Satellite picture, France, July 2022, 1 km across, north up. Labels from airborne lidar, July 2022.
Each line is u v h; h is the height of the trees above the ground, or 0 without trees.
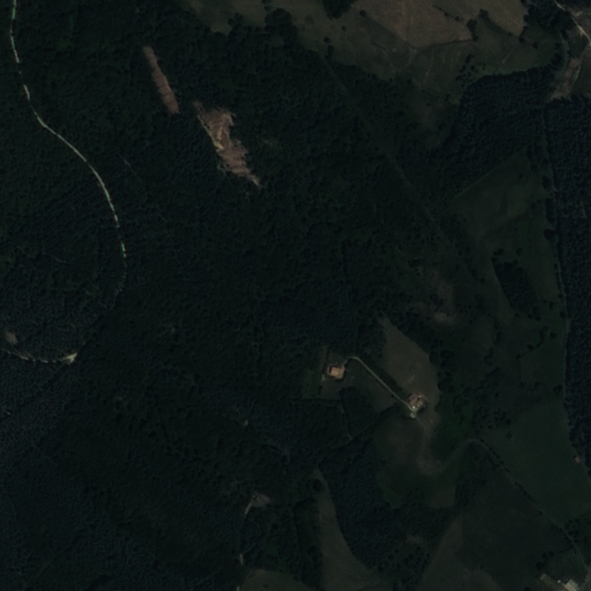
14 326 21
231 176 21
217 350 17
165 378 36
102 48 18
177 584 35
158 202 10
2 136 7
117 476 27
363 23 0
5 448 21
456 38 0
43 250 14
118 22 19
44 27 20
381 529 21
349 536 22
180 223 19
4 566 27
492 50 0
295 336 18
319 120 14
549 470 0
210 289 17
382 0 0
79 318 21
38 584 8
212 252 20
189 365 23
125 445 26
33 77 12
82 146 7
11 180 6
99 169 13
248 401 26
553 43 0
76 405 23
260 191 19
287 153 8
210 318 20
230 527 21
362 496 17
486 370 0
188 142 22
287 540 10
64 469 22
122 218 16
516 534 0
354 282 20
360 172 7
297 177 6
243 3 0
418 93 0
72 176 11
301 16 0
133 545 25
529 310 16
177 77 17
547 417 0
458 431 0
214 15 0
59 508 34
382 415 8
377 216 7
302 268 16
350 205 11
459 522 0
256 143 11
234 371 23
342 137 15
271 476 24
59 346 17
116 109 10
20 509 23
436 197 13
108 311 14
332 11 12
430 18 0
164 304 18
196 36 23
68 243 16
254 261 26
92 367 17
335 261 12
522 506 0
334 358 0
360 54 0
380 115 9
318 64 11
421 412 6
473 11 0
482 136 20
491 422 6
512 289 16
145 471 21
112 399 23
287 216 23
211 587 23
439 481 0
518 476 0
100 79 7
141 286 19
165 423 29
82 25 18
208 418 24
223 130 0
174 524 21
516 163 0
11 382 19
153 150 16
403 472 0
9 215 7
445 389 18
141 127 15
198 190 20
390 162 9
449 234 8
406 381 0
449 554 0
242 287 19
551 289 0
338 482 25
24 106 12
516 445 0
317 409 17
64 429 20
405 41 0
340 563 0
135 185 17
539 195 0
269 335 23
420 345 11
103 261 16
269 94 16
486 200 0
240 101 22
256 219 23
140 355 24
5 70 8
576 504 0
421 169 14
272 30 20
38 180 10
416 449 0
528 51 0
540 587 0
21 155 10
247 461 24
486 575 0
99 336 23
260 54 18
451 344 0
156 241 16
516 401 0
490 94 23
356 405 20
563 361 0
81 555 23
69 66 17
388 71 0
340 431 7
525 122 20
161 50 23
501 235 0
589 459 23
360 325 8
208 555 23
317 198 13
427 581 0
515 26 0
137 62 21
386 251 14
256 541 29
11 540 27
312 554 14
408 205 8
